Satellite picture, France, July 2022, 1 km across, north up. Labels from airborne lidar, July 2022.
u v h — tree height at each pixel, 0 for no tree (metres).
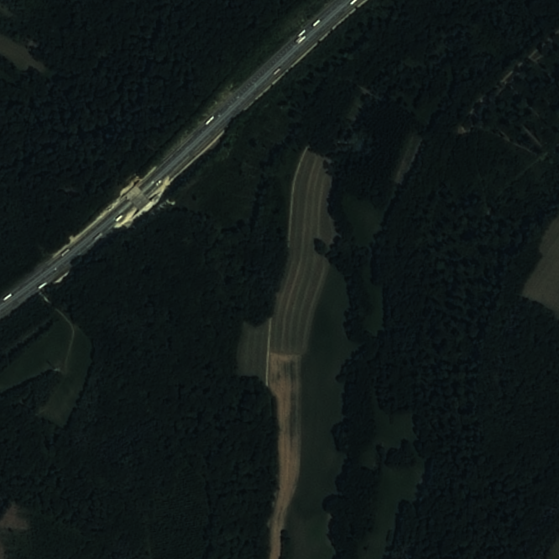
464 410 6
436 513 27
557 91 29
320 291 0
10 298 0
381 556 0
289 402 0
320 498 0
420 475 0
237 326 29
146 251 26
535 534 20
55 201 26
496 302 27
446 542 29
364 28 25
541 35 23
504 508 24
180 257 24
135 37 14
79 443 23
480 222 6
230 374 16
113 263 26
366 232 0
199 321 24
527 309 22
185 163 0
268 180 17
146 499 18
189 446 25
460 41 27
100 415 19
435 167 16
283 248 27
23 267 17
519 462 26
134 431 26
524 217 9
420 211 12
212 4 27
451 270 28
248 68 8
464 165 6
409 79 21
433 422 25
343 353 0
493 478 31
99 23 26
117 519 26
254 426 30
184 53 25
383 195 22
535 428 24
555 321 18
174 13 25
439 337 28
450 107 21
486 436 27
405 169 0
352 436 24
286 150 28
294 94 29
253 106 9
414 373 7
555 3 20
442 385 26
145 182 0
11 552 7
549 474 29
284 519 0
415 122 32
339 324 0
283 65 0
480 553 8
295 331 0
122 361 24
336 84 24
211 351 29
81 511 24
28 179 25
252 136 0
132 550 19
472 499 28
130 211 0
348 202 0
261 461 29
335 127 30
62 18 12
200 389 27
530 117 25
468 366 20
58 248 6
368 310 26
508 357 23
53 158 31
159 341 33
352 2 0
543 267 0
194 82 21
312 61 13
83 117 35
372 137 21
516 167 7
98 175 23
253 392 7
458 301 30
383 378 24
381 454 14
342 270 20
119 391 25
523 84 25
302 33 0
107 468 22
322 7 9
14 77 27
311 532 0
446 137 20
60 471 21
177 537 7
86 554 12
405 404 8
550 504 18
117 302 29
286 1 12
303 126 27
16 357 14
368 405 22
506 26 35
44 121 29
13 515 0
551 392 23
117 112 34
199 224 22
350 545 23
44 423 19
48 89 17
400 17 28
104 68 20
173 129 11
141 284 28
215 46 22
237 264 32
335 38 16
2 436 23
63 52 28
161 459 21
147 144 23
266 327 0
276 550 0
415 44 28
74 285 23
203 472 21
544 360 21
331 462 0
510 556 23
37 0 8
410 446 16
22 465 25
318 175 0
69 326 0
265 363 0
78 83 22
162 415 26
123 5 26
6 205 15
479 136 10
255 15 21
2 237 12
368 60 14
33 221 20
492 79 27
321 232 0
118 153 24
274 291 17
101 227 0
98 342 19
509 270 25
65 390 0
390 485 0
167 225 20
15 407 22
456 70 20
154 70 32
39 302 16
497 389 23
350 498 24
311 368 0
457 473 21
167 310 20
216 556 20
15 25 16
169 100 26
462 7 20
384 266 29
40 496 21
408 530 22
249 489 22
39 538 7
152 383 23
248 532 28
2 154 33
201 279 24
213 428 26
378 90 15
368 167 32
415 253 25
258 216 29
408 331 25
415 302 26
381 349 17
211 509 9
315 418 0
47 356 0
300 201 0
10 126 37
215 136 0
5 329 13
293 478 0
